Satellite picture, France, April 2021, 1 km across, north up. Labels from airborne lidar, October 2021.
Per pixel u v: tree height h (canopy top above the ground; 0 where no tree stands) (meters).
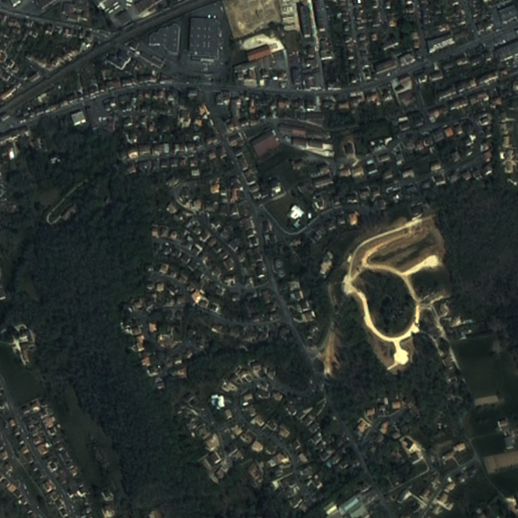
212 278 0
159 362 15
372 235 0
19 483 0
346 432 0
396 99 12
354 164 0
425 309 0
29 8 0
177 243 0
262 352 17
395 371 0
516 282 12
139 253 24
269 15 0
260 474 6
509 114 0
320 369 0
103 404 12
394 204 9
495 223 14
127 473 19
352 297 0
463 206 9
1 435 0
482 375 0
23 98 0
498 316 14
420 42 0
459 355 0
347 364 21
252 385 6
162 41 0
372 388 23
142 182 22
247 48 0
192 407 13
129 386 24
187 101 9
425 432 12
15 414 0
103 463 10
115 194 19
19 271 21
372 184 7
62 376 12
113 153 19
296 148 0
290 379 17
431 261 0
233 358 23
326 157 0
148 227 23
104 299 24
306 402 13
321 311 21
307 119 0
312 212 8
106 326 26
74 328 26
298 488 0
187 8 0
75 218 11
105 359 21
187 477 27
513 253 18
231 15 0
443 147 7
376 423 0
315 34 0
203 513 17
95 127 0
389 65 0
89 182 6
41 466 0
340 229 6
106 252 25
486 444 0
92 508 6
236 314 7
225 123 8
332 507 0
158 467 26
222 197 6
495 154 10
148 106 7
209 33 0
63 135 20
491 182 10
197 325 19
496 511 0
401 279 0
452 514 0
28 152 14
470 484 0
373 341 0
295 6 0
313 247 18
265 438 7
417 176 0
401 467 8
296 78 0
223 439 0
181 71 0
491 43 0
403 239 0
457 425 18
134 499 18
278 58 0
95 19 9
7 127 0
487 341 0
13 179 17
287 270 0
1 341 15
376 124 9
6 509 22
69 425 0
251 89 0
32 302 15
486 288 13
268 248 10
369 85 0
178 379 10
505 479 0
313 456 8
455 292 11
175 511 21
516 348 8
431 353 23
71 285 30
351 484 21
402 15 6
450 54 0
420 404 24
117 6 0
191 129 6
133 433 26
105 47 0
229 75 6
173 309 0
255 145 0
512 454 0
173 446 19
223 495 8
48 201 0
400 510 0
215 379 19
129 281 26
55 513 6
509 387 0
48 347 18
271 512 21
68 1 0
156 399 15
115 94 0
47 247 22
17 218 10
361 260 0
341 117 10
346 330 22
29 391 0
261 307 21
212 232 0
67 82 0
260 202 10
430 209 17
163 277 0
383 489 18
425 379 21
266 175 0
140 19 0
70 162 17
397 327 13
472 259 15
